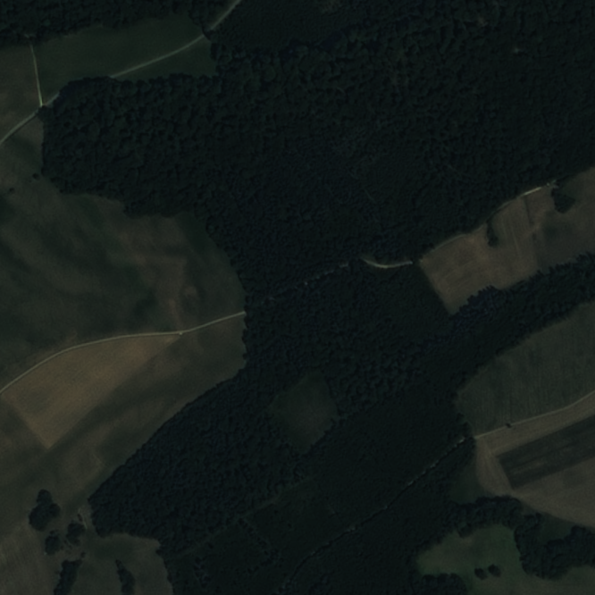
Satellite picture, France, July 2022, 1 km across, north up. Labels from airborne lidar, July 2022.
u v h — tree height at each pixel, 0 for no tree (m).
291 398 0
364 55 34
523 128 25
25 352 0
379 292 11
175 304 0
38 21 9
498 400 0
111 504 18
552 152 20
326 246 17
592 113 18
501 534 0
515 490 0
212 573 6
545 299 8
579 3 24
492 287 0
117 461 0
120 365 0
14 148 0
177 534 22
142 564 0
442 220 8
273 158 17
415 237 10
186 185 18
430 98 25
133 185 18
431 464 7
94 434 0
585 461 0
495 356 14
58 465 0
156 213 17
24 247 0
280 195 24
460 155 10
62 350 0
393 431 13
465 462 13
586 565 14
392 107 26
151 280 0
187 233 0
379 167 12
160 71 0
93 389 0
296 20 9
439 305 9
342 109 25
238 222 20
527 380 0
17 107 0
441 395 12
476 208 19
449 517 23
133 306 0
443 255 0
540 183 20
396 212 8
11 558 0
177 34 0
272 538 6
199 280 0
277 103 20
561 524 0
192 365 0
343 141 21
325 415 0
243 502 18
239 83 24
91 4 24
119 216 0
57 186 14
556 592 0
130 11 30
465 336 29
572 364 0
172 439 15
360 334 24
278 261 24
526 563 17
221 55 21
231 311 0
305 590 13
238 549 6
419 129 17
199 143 26
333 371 21
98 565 0
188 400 0
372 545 13
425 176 18
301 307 27
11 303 0
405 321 12
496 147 23
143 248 0
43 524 19
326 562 13
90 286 0
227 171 25
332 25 6
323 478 13
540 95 22
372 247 25
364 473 14
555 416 0
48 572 0
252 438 19
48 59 0
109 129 32
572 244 0
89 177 19
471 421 0
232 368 0
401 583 13
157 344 0
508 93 21
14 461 0
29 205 0
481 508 20
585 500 0
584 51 24
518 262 0
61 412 0
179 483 25
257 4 11
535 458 0
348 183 25
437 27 30
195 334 0
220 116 30
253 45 10
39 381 0
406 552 12
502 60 18
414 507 14
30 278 0
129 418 0
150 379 0
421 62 24
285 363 13
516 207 0
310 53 38
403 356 26
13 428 0
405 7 18
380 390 24
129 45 0
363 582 15
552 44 21
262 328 16
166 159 22
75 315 0
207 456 21
